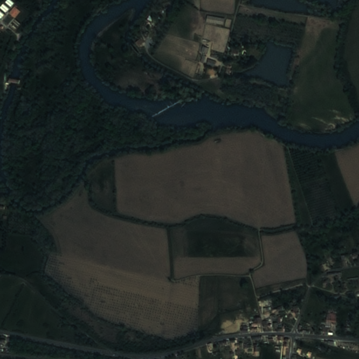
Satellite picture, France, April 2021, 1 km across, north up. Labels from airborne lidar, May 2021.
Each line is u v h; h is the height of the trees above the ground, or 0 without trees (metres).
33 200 16
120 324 8
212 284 0
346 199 0
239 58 15
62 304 10
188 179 0
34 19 18
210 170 0
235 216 0
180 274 0
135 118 16
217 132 12
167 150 13
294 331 0
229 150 0
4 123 8
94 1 13
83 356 12
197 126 9
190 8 0
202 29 0
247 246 0
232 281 0
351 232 9
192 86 15
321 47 0
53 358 18
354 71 0
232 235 0
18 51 7
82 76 0
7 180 14
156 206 0
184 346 8
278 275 0
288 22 7
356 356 0
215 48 0
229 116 0
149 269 0
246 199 0
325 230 19
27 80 16
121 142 14
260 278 0
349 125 9
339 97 0
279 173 0
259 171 0
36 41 15
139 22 9
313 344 0
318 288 0
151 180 0
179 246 0
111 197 0
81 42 0
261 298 11
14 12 0
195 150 0
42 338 0
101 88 0
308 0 8
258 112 0
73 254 0
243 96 14
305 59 0
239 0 0
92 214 0
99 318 18
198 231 0
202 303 0
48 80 0
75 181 14
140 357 0
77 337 16
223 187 0
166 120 0
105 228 0
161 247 0
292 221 0
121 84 0
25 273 0
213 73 0
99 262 0
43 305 0
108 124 20
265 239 0
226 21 0
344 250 10
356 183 0
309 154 14
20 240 0
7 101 0
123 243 0
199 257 0
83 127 9
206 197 0
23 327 0
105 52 0
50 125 20
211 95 12
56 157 17
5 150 13
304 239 9
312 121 0
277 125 0
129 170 0
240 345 0
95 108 11
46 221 0
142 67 0
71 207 0
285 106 22
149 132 18
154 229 0
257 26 10
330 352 7
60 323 6
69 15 0
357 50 0
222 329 0
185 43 0
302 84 0
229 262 0
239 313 0
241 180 0
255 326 0
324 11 8
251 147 0
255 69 0
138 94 21
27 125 15
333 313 0
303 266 0
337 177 0
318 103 0
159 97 15
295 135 0
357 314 20
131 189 0
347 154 0
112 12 0
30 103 18
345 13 17
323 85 0
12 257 0
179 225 5
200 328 0
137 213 0
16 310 0
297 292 12
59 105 14
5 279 0
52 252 15
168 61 0
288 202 0
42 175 18
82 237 0
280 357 0
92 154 11
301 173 15
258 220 0
